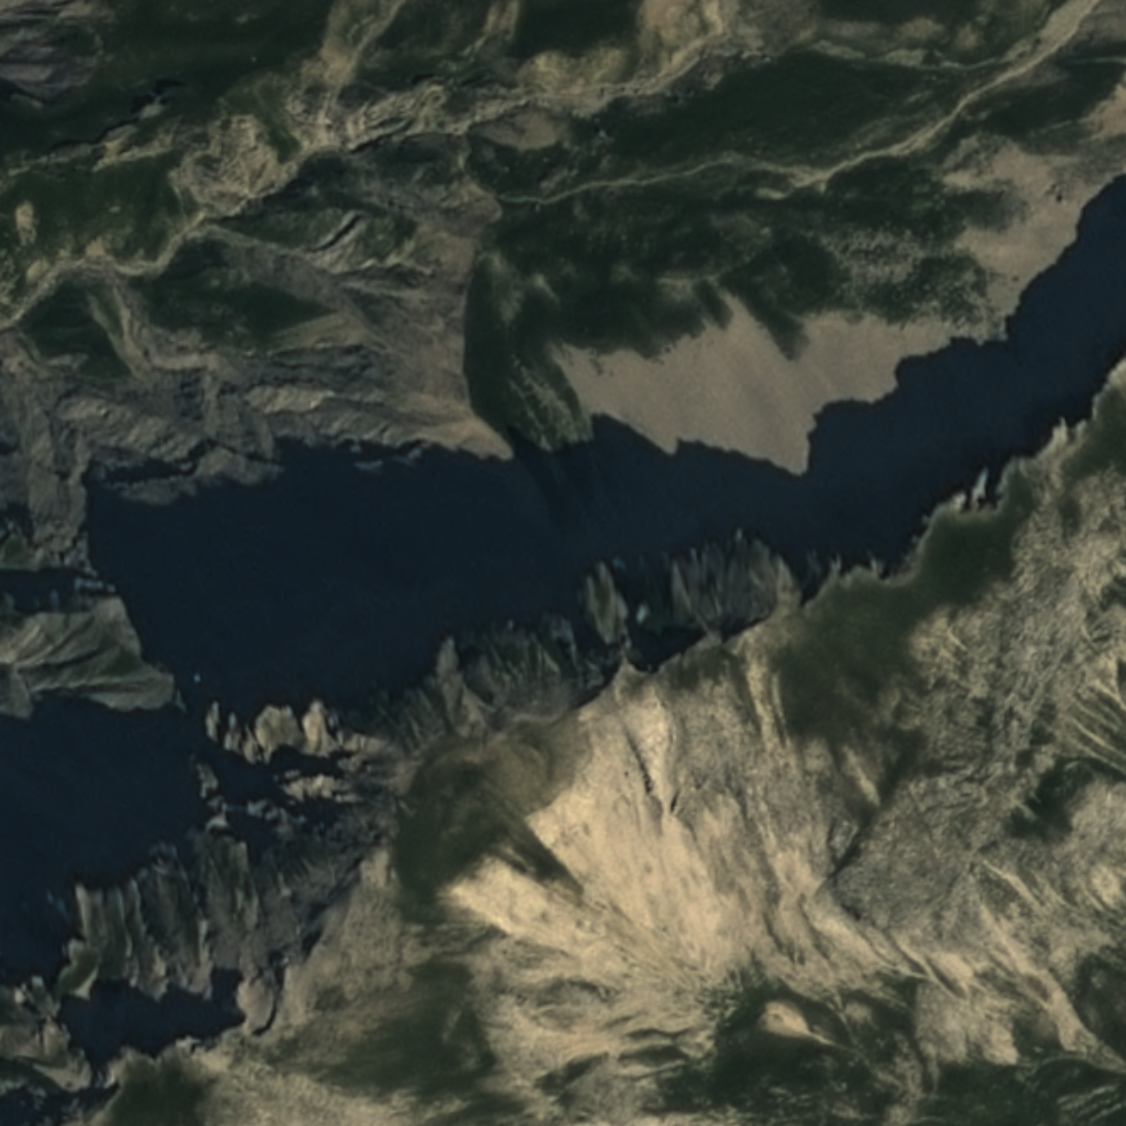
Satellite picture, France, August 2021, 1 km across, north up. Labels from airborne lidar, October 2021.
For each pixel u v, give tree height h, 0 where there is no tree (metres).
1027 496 0
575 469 0
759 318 0
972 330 0
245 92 0
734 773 0
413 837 0
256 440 0
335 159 0
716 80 0
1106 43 0
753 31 0
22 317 0
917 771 0
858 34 0
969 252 0
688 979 0
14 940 0
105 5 0
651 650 0
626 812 0
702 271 0
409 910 0
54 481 0
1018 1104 0
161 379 0
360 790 0
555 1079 0
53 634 0
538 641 0
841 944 0
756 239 0
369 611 0
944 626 0
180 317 0
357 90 0
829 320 0
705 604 0
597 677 0
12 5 0
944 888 0
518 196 0
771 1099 0
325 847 0
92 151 8
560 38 0
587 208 0
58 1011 0
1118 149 0
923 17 0
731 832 0
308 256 0
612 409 0
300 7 0
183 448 0
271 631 0
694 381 0
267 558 0
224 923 0
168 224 0
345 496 0
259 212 0
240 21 0
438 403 0
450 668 0
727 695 0
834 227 0
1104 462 0
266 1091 0
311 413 0
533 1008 0
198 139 0
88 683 0
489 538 0
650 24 0
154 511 0
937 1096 0
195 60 0
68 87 0
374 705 0
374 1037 0
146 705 0
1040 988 0
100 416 0
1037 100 0
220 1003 0
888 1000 0
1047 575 0
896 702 0
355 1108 0
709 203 0
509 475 0
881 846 0
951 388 0
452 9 0
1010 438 0
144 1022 0
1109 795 0
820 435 0
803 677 0
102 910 0
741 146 0
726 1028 0
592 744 0
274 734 0
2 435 0
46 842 0
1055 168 0
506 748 0
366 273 0
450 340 0
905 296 0
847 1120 0
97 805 0
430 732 0
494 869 0
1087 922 0
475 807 0
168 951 0
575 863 0
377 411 0
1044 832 0
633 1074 0
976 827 0
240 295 0
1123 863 0
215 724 0
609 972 0
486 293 0
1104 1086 0
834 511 0
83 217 0
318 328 0
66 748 0
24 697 0
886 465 0
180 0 0
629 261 0
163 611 0
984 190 0
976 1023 0
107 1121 0
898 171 0
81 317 0
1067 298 0
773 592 0
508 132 0
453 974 0
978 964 0
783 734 0
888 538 0
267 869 0
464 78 0
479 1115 0
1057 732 0
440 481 0
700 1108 0
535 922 0
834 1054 0
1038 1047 0
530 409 0
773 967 0
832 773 0
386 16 0
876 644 0
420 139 0
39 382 0
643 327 0
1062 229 0
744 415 0
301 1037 0
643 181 0
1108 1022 0
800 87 0
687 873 0
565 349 0
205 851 0
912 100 0
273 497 0
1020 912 0
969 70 0
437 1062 0
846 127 0
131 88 0
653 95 0
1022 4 0
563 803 0
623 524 0
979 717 0
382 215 0
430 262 0
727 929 0
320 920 0
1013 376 0
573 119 0
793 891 0
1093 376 0
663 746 0
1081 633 0
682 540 0
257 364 0
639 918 0
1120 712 0
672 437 0
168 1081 0
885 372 0
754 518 0
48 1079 0
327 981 0
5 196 0
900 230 0
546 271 0
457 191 0
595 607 0
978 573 0
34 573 0
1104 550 0
